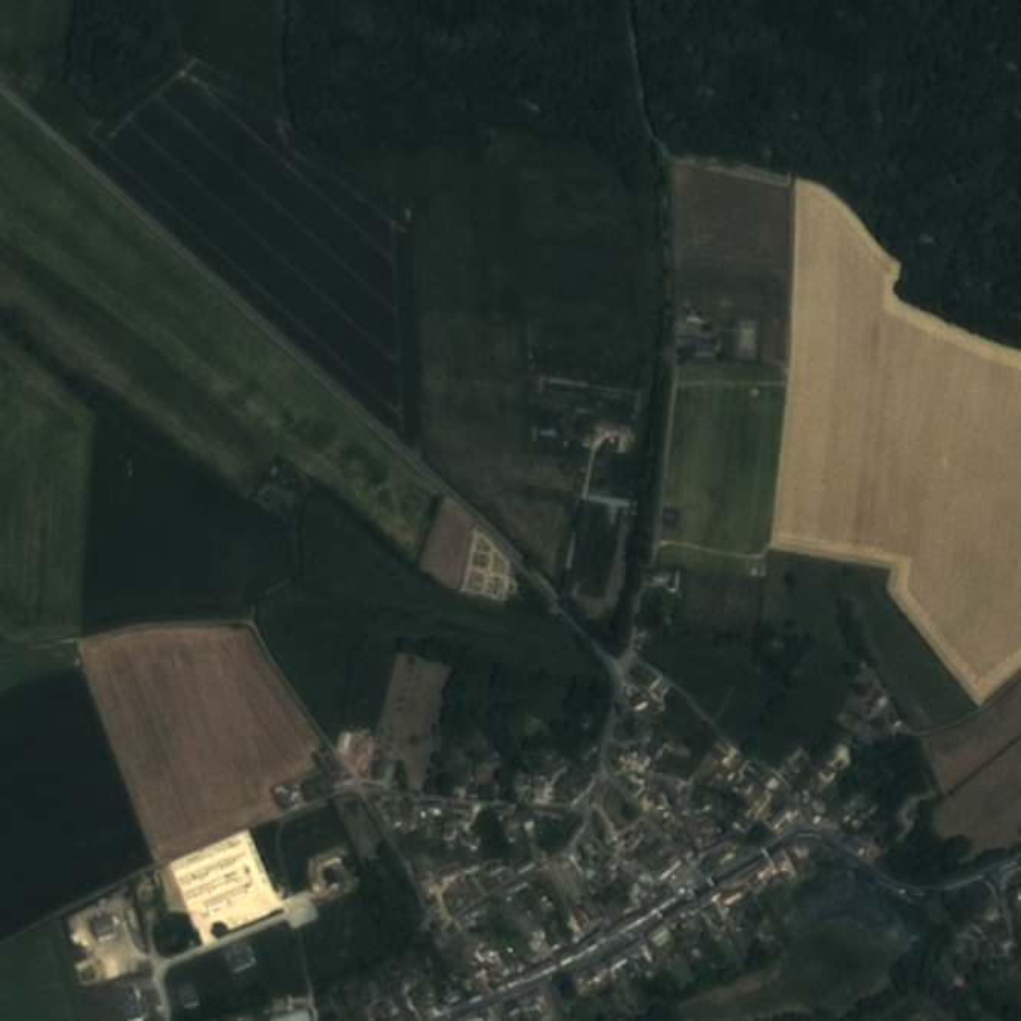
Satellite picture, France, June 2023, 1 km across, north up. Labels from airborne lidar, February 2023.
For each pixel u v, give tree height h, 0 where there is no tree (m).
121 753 0
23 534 0
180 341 0
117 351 0
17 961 0
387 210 0
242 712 0
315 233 0
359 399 0
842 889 0
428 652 18
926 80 26
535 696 0
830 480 0
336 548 0
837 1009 0
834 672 0
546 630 0
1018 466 0
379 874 13
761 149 25
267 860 0
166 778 0
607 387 0
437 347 0
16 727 0
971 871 10
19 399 0
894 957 0
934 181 23
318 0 26
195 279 0
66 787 0
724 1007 0
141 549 0
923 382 0
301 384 0
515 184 0
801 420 0
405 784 7
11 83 0
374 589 0
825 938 0
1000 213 30
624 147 20
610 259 0
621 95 28
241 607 0
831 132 27
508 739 9
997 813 0
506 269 0
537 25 26
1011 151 27
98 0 25
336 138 24
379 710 0
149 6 23
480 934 7
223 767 0
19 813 0
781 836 0
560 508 0
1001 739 0
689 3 28
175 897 0
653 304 0
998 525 0
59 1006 0
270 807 0
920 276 24
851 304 0
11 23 0
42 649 0
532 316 0
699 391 0
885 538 0
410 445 0
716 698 0
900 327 0
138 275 0
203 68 0
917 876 11
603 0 29
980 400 0
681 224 0
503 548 0
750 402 0
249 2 0
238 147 0
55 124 0
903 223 21
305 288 0
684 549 0
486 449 0
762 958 15
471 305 0
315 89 25
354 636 0
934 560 0
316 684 0
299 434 0
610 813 0
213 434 0
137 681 0
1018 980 0
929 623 0
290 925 0
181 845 0
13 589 0
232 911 0
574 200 0
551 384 0
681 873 0
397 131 26
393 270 0
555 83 26
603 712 6
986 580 0
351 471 0
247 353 0
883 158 19
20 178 0
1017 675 0
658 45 29
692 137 23
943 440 0
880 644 0
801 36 26
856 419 0
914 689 0
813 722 0
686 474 0
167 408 0
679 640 0
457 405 0
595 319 0
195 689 0
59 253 0
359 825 0
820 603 0
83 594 0
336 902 0
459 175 0
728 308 0
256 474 0
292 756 0
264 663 0
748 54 25
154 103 0
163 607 0
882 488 0
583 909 7
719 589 0
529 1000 0
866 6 25
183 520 0
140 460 0
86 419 0
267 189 0
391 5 25
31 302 0
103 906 0
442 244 0
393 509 0
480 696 0
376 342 0
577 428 10
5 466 0
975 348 0
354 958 0
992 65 26
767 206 0
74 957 0
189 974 0
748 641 7
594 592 0
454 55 29
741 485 0
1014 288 29
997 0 21
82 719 0
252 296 0
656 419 15
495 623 0
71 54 16
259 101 0
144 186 0
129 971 0
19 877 0
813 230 0
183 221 0
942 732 0
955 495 0
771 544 0
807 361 0
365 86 31
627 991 0
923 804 9
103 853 0
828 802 9
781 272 0
